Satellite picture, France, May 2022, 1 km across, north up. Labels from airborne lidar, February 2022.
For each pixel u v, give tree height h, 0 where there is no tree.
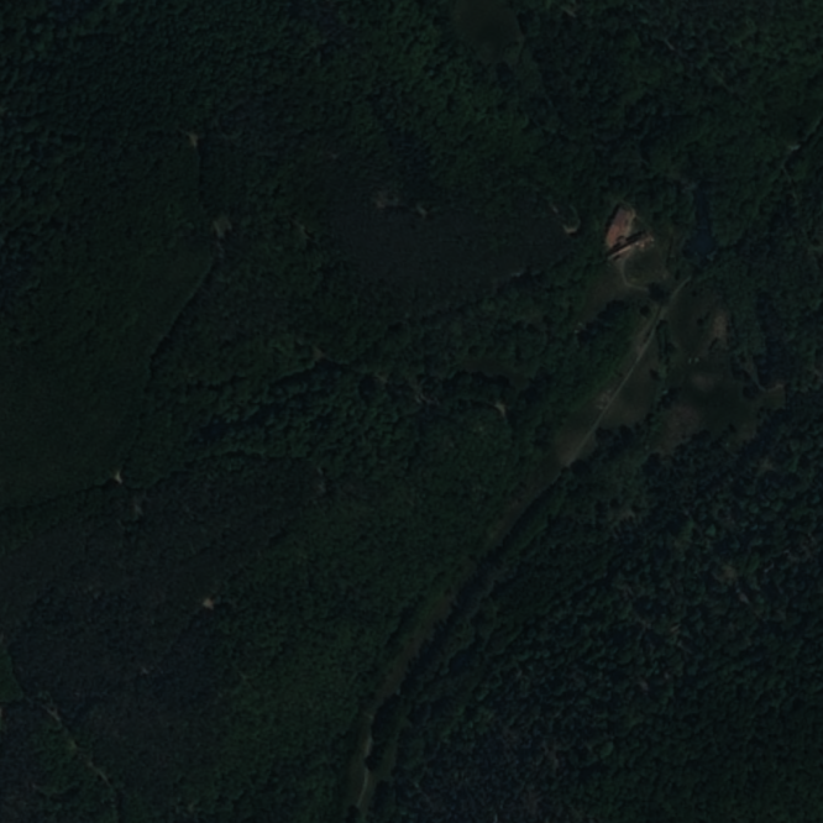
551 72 27
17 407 20
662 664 15
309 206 22
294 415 35
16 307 22
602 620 28
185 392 36
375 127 34
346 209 21
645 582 29
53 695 28
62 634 24
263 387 22
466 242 18
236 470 25
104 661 23
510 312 26
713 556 32
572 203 19
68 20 33
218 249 16
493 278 22
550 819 26
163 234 21
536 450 22
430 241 20
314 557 28
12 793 23
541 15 29
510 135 19
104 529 22
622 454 25
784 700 32
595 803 27
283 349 18
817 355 27
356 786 0
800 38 24
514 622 10
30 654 23
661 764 31
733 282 18
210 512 23
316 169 21
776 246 32
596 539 15
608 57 28
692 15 24
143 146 27
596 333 24
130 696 22
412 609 27
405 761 26
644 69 22
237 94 25
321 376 39
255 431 33
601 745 29
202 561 22
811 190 10
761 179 29
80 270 22
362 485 24
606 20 31
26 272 30
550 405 24
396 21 28
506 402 27
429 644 0
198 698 24
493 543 0
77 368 23
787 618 32
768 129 27
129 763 28
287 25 21
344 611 32
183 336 25
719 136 32
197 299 24
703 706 26
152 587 23
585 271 25
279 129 23
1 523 21
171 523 20
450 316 30
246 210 24
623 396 0
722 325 0
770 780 27
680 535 30
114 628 26
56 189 24
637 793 27
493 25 0
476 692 25
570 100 27
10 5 31
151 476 23
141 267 0
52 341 23
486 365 0
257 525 24
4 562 21
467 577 0
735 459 7
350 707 28
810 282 30
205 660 23
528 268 15
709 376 0
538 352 30
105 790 29
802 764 23
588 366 32
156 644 22
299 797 24
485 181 21
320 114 27
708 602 33
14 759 24
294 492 20
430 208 13
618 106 14
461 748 28
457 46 23
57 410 20
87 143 28
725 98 25
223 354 26
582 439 0
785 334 20
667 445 0
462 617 29
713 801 24
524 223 20
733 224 25
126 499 22
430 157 27
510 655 26
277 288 29
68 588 22
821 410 14
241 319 28
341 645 26
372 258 21
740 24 30
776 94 25
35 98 32
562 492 13
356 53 27
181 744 22
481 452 0
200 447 26
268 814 26
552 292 25
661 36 22
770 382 24
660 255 0
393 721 19
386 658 27
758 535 24
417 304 23
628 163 21
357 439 30
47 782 25
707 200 25
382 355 28
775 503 29
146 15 31
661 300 28
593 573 16
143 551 21
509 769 26
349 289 23
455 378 25
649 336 0
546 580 12
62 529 21
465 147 25
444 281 22
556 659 23
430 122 26
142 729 23
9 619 26
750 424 0
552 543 9
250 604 25
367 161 21
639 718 25
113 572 22
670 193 25
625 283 0
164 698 21
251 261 30
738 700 29
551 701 31
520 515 0
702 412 0
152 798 25
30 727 22
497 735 29
